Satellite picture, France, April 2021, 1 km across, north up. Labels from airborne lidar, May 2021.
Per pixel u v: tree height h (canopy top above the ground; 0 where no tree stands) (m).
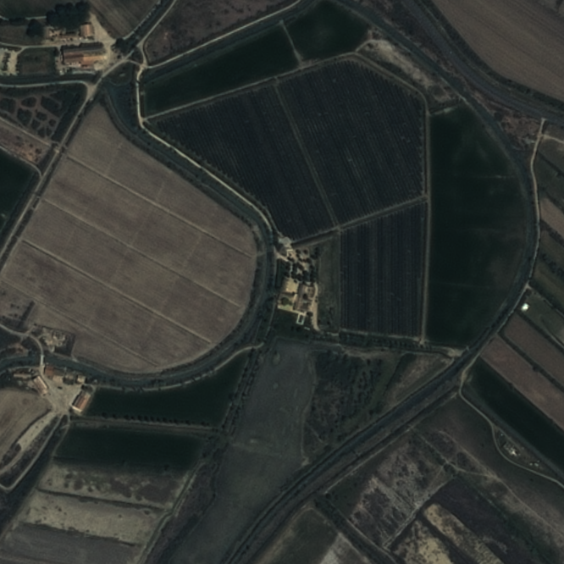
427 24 0
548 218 0
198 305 0
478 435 0
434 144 0
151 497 0
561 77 0
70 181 0
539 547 0
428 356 0
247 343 5
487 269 0
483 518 0
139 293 0
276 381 0
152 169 0
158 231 0
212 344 0
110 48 0
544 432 0
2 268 0
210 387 0
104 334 0
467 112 0
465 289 0
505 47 0
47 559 0
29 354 0
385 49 0
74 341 0
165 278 0
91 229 0
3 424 0
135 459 0
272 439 0
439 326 0
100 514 0
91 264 0
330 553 0
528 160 0
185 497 0
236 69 0
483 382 0
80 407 0
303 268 7
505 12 0
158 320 0
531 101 0
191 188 0
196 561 0
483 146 0
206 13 0
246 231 0
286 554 0
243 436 0
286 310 0
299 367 0
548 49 0
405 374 0
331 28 0
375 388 10
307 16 0
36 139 0
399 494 0
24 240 0
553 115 0
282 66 0
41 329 0
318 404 0
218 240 0
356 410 8
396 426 0
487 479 0
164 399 0
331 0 0
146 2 0
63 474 0
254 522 0
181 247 0
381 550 0
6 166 0
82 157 0
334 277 0
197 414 0
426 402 0
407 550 0
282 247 17
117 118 0
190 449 0
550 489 0
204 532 0
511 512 0
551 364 0
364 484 0
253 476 0
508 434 0
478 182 0
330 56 0
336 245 0
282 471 0
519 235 0
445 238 0
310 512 0
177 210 0
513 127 0
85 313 0
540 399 0
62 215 0
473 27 0
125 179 0
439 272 0
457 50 0
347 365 11
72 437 0
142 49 0
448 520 0
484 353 0
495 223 0
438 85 0
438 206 0
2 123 0
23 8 0
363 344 12
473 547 0
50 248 0
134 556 0
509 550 0
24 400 0
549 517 0
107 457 0
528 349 0
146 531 0
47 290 0
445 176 0
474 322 0
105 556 0
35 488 0
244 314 0
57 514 0
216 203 0
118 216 0
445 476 0
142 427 0
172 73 0
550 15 0
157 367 0
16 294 0
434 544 0
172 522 0
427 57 0
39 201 0
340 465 0
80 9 13
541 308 0
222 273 0
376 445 0
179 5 0
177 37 6
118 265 0
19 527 0
